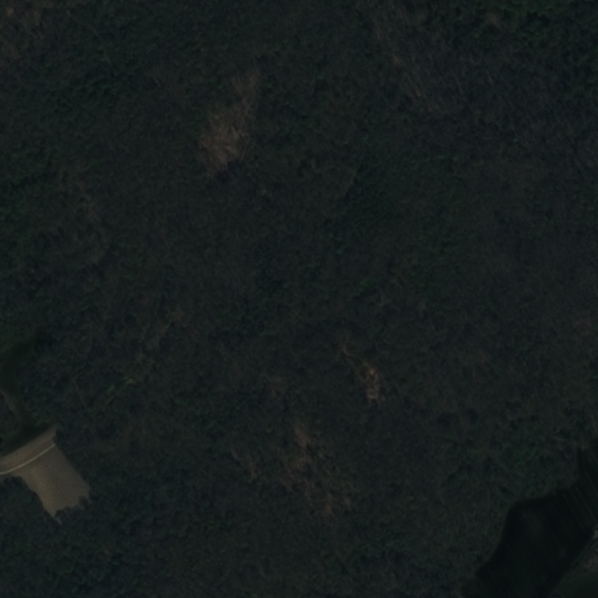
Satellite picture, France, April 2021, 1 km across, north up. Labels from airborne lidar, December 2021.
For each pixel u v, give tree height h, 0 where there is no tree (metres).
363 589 11
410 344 20
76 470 19
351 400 31
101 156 24
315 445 30
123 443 16
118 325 19
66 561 28
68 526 31
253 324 13
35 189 20
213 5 20
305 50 22
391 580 28
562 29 26
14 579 28
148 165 20
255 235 26
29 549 25
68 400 22
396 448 25
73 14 12
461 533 25
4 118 15
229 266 19
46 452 0
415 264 19
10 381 0
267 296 25
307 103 23
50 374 19
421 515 27
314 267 18
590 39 23
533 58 26
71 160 19
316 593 14
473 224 18
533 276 18
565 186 11
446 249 15
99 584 36
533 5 28
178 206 25
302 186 20
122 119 23
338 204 10
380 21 26
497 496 22
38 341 0
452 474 7
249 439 25
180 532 19
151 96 21
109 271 22
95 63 10
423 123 23
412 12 30
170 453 24
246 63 22
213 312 27
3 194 14
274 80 23
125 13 27
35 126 23
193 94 27
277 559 21
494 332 14
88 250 20
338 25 21
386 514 35
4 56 26
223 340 23
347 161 25
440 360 12
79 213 15
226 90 28
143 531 29
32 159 15
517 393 26
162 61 30
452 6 21
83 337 22
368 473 25
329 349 27
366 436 26
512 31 18
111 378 22
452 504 23
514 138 20
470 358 25
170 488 21
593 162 24
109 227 24
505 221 21
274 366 24
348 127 11
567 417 27
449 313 19
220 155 0
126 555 31
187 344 28
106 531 28
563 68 7
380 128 22
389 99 20
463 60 29
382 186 16
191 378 25
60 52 25
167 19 19
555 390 28
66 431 14
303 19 22
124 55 14
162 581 27
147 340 14
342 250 24
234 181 29
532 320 19
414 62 25
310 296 22
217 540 14
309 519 24
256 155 7
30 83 24
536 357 20
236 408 23
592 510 0
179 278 22
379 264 19
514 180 22
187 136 16
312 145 14
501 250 19
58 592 32
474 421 31
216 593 28
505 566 0
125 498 18
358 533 23
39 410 20
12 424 19
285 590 23
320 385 27
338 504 24
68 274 27
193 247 26
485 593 0
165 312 21
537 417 23
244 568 10
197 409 22
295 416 29
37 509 24
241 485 22
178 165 19
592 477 0
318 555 25
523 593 0
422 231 18
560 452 23
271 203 20
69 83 14
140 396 10
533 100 32
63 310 18
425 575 25
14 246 27
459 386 27
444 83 30
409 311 23
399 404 25
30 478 0
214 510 22
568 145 25
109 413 17
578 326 22
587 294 20
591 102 27
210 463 10
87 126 28
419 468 26
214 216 28
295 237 28
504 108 28
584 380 30
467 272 15
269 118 32
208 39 28
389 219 18
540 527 0
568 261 19
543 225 19
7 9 28
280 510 24
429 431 22
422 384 10
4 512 18
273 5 25
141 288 18
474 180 20
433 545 27
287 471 23
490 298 14
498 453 24
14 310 25
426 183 14
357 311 19
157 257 21
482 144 19
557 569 0
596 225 14
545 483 22
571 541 0
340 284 23
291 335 29
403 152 12
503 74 30
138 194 24
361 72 23
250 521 21
